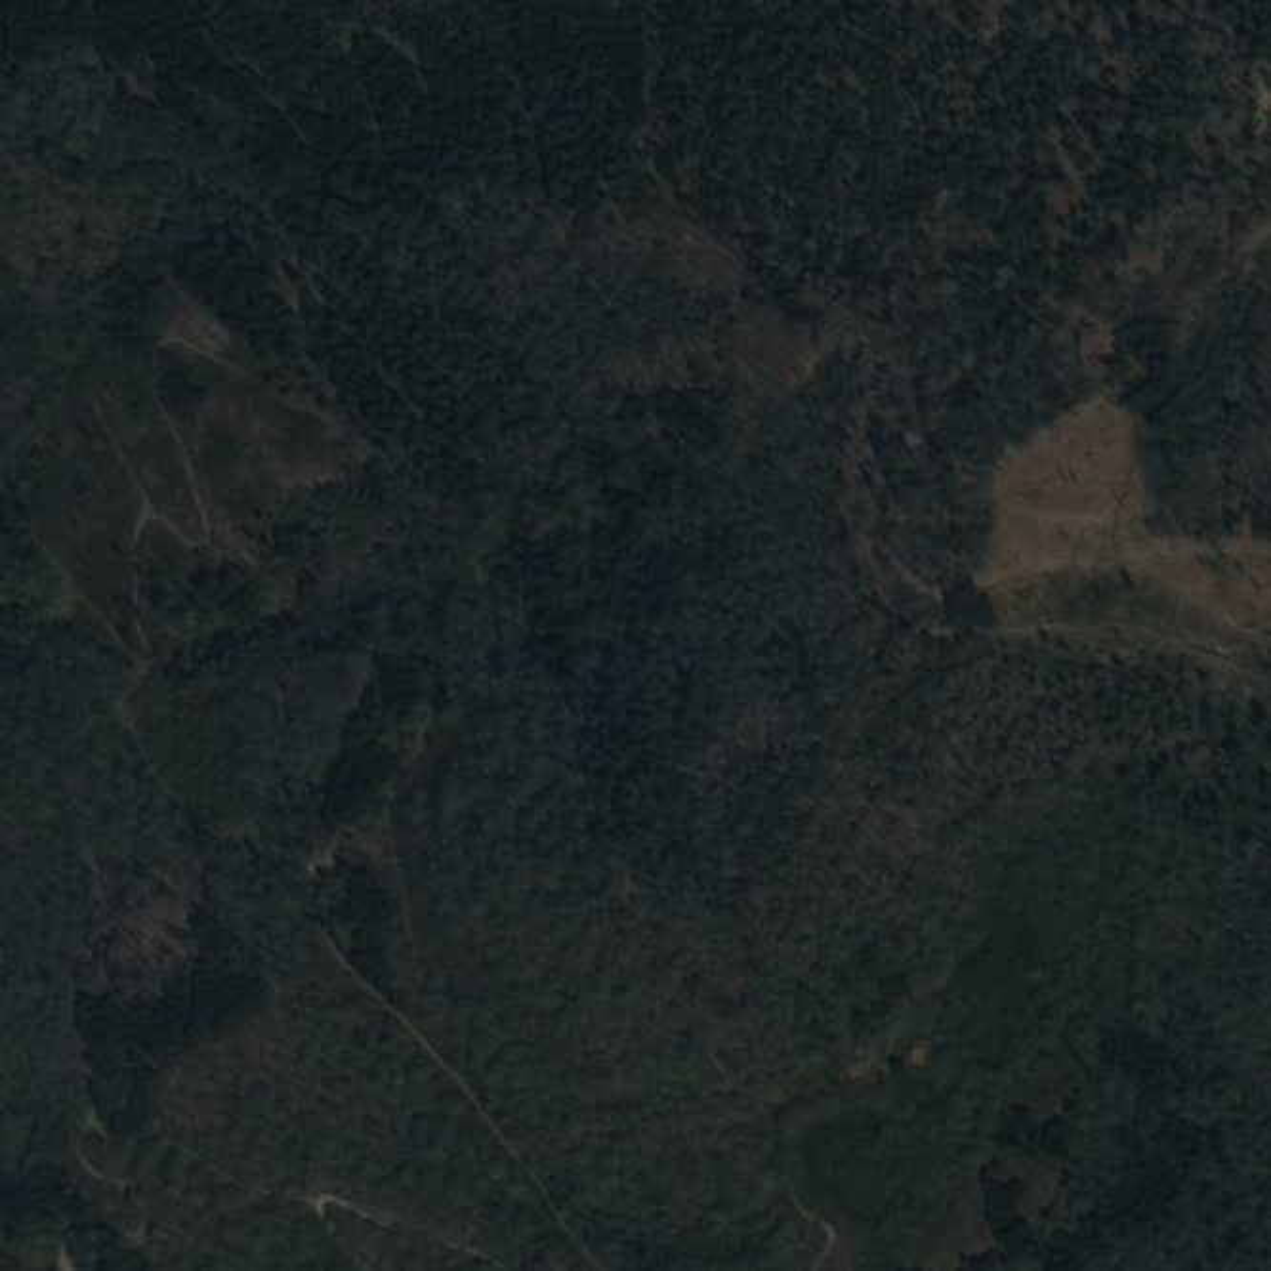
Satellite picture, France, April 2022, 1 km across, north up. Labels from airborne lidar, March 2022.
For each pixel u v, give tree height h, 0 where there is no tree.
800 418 30
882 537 0
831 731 19
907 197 22
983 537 19
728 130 21
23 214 11
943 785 30
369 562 20
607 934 12
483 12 14
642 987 17
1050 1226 20
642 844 14
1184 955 0
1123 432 0
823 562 23
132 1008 11
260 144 18
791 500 30
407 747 15
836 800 16
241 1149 18
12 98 15
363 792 22
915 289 29
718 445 20
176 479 0
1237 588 0
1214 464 25
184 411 6
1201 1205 24
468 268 17
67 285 28
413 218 21
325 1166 20
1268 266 7
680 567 21
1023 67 31
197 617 29
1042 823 22
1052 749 32
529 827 18
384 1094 27
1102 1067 12
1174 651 0
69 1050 18
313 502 23
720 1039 25
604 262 22
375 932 19
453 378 23
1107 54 10
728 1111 18
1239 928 23
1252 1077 21
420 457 10
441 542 22
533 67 20
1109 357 0
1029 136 20
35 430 22
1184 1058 25
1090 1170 21
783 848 17
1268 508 30
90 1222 12
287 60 18
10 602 17
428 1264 21
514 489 23
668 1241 15
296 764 25
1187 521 28
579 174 17
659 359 24
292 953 14
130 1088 12
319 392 10
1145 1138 22
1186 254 15
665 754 22
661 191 23
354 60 10
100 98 19
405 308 30
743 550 24
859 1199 10
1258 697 0
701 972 10
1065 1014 23
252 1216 7
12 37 19
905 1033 9
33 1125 11
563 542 18
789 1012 19
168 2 16
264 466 0
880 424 0
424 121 23
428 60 19
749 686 20
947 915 7
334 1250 7
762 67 21
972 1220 0
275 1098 24
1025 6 9
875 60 19
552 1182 6
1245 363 23
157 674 6
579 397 25
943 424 24
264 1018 23
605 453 10
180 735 8
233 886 16
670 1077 23
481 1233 7
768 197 22
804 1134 8
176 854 24
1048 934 21
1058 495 0
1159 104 15
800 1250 16
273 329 29
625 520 17
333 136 20
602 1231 15
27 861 17
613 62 19
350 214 27
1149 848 23
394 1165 20
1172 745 32
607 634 26
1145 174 21
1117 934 15
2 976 9
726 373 28
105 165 23
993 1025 0
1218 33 16
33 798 18
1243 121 31
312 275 20
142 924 26
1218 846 24
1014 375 20
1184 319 22
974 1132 20
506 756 19
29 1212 22
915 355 27
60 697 26
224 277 29
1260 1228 16
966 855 28
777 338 28
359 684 29
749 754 15
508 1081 14
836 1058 19
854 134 23
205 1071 20
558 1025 11
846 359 25
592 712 25
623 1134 13
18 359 21
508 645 21
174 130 24
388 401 27
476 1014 18
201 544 0
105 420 0
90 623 0
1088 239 19
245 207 20
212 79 20
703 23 6
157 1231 19
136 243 22
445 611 17
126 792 25
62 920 25
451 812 21
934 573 24
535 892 8
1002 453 21
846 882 14
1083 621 0
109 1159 19
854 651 17
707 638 24
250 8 19
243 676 23
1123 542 0
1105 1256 24
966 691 30
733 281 25
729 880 14
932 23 21
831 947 26
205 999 23
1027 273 8
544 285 11
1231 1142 23
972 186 12
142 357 26
